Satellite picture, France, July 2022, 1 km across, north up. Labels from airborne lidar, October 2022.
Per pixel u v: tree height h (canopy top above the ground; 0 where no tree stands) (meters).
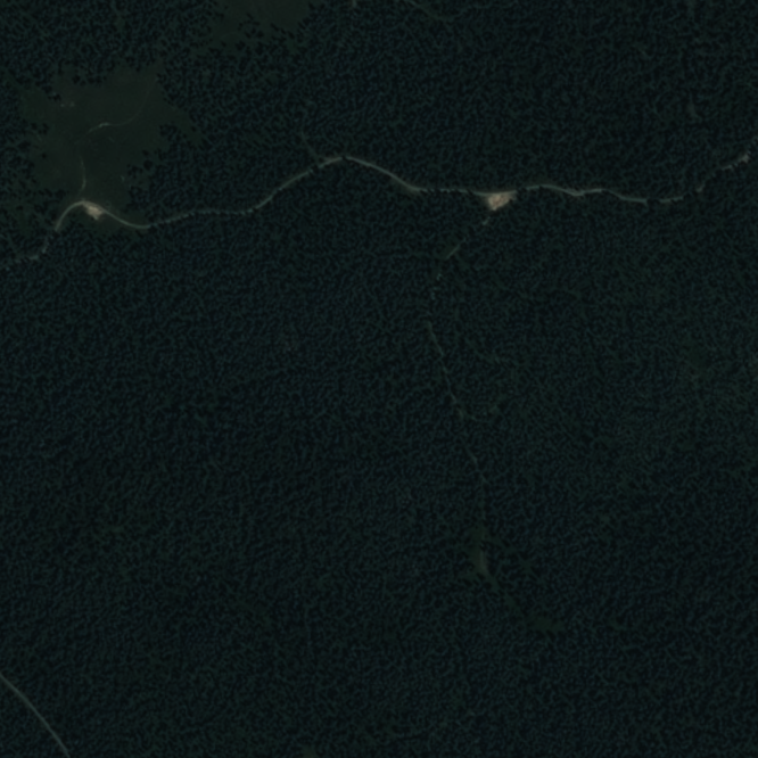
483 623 20
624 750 27
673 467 23
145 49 13
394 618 14
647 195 23
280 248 16
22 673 25
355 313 16
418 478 26
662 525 24
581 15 7
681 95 17
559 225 31
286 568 21
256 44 0
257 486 22
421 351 18
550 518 23
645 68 15
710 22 15
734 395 19
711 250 6
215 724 25
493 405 15
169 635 14
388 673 21
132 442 25
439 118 17
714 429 13
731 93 16
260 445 14
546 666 23
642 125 17
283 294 8
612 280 17
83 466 19
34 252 6
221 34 0
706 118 35
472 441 16
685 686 26
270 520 21
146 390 19
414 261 15
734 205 13
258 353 21
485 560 0
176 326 21
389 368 27
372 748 8
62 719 20
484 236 13
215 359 26
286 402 27
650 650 28
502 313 19
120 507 12
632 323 17
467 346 23
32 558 25
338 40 24
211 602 20
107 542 29
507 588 25
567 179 15
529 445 15
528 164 23
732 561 21
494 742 24
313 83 10
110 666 13
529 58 18
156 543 17
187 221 11
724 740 18
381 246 18
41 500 17
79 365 18
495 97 26
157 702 21
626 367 8
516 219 13
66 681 7
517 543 18
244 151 10
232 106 12
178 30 10
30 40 10
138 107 0
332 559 22
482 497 12
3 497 25
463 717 17
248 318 21
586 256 27
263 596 14
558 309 9
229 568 7
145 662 11
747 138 20
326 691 6
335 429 16
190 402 18
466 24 8
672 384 19
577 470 9
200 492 13
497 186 10
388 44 23
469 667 23
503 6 14
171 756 24
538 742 26
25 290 25
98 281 10
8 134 15
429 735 24
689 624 21
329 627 17
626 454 10
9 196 12
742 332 23
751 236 14
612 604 23
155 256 11
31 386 28
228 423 21
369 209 20
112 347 23
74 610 17
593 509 24
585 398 16
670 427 9
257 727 11
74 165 0
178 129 13
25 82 18
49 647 9
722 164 10
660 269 15
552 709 20
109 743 21
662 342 14
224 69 15
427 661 22
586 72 16
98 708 7
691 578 12
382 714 7
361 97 26
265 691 22
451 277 11
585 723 23
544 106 17
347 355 23
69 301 26
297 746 22
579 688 26
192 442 33
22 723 22
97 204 0
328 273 9
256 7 0
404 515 28
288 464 20
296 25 0
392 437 22
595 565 23
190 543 23
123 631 23
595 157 22
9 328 27
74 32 20
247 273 20
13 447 26
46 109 0
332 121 19
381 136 22
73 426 22
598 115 30
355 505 18
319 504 26
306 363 19
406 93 9
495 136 29
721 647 22
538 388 13
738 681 16
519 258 8
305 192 24
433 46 25
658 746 27
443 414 28
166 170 10
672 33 23
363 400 29
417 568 24
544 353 16
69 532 12
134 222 0
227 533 19
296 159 7
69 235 10
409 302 21
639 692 26
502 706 21
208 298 18
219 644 23
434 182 26
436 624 20
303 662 31
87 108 0
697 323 17
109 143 0
